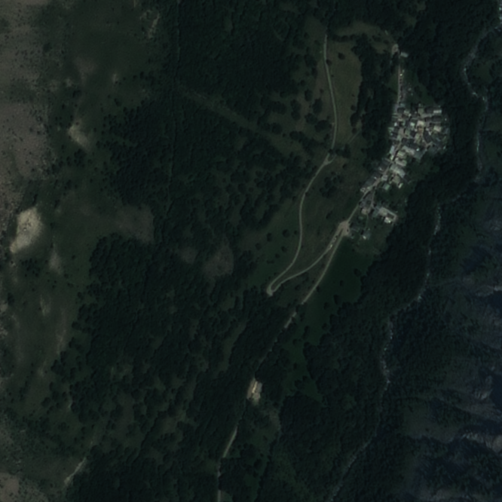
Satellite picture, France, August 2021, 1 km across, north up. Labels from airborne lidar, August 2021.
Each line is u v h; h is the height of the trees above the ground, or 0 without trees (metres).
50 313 0
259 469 21
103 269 8
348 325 22
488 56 9
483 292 0
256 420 15
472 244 0
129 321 12
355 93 0
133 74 0
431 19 17
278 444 15
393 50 0
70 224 0
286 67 24
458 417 12
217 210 11
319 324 0
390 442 27
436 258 23
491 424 0
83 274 0
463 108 16
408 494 0
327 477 15
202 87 13
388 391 10
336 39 14
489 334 0
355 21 13
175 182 14
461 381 0
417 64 22
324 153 0
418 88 8
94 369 12
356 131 12
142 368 14
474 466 7
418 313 10
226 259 7
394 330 21
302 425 24
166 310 14
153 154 14
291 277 0
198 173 13
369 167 13
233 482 20
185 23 17
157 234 13
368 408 17
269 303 19
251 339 19
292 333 19
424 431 0
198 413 10
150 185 14
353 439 22
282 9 12
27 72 0
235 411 25
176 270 21
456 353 7
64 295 0
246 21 19
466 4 25
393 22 7
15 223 0
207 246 11
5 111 0
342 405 22
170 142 12
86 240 0
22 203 0
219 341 13
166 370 20
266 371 22
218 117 13
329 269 0
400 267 17
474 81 11
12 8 0
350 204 0
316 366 22
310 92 13
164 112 13
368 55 17
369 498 13
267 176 11
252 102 16
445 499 0
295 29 19
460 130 23
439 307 11
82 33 0
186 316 20
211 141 15
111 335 14
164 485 16
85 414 16
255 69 17
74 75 0
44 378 0
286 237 12
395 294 21
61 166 11
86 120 0
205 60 12
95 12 0
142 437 0
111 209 0
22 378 0
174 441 13
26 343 0
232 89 18
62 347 0
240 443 19
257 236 0
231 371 16
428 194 27
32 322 0
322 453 21
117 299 10
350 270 0
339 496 11
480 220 0
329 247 0
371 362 24
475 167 24
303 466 20
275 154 16
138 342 16
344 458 13
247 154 22
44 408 8
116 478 12
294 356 0
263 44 18
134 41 0
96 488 16
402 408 9
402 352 20
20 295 0
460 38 21
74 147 0
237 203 14
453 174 23
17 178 0
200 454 6
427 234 20
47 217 0
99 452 12
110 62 0
